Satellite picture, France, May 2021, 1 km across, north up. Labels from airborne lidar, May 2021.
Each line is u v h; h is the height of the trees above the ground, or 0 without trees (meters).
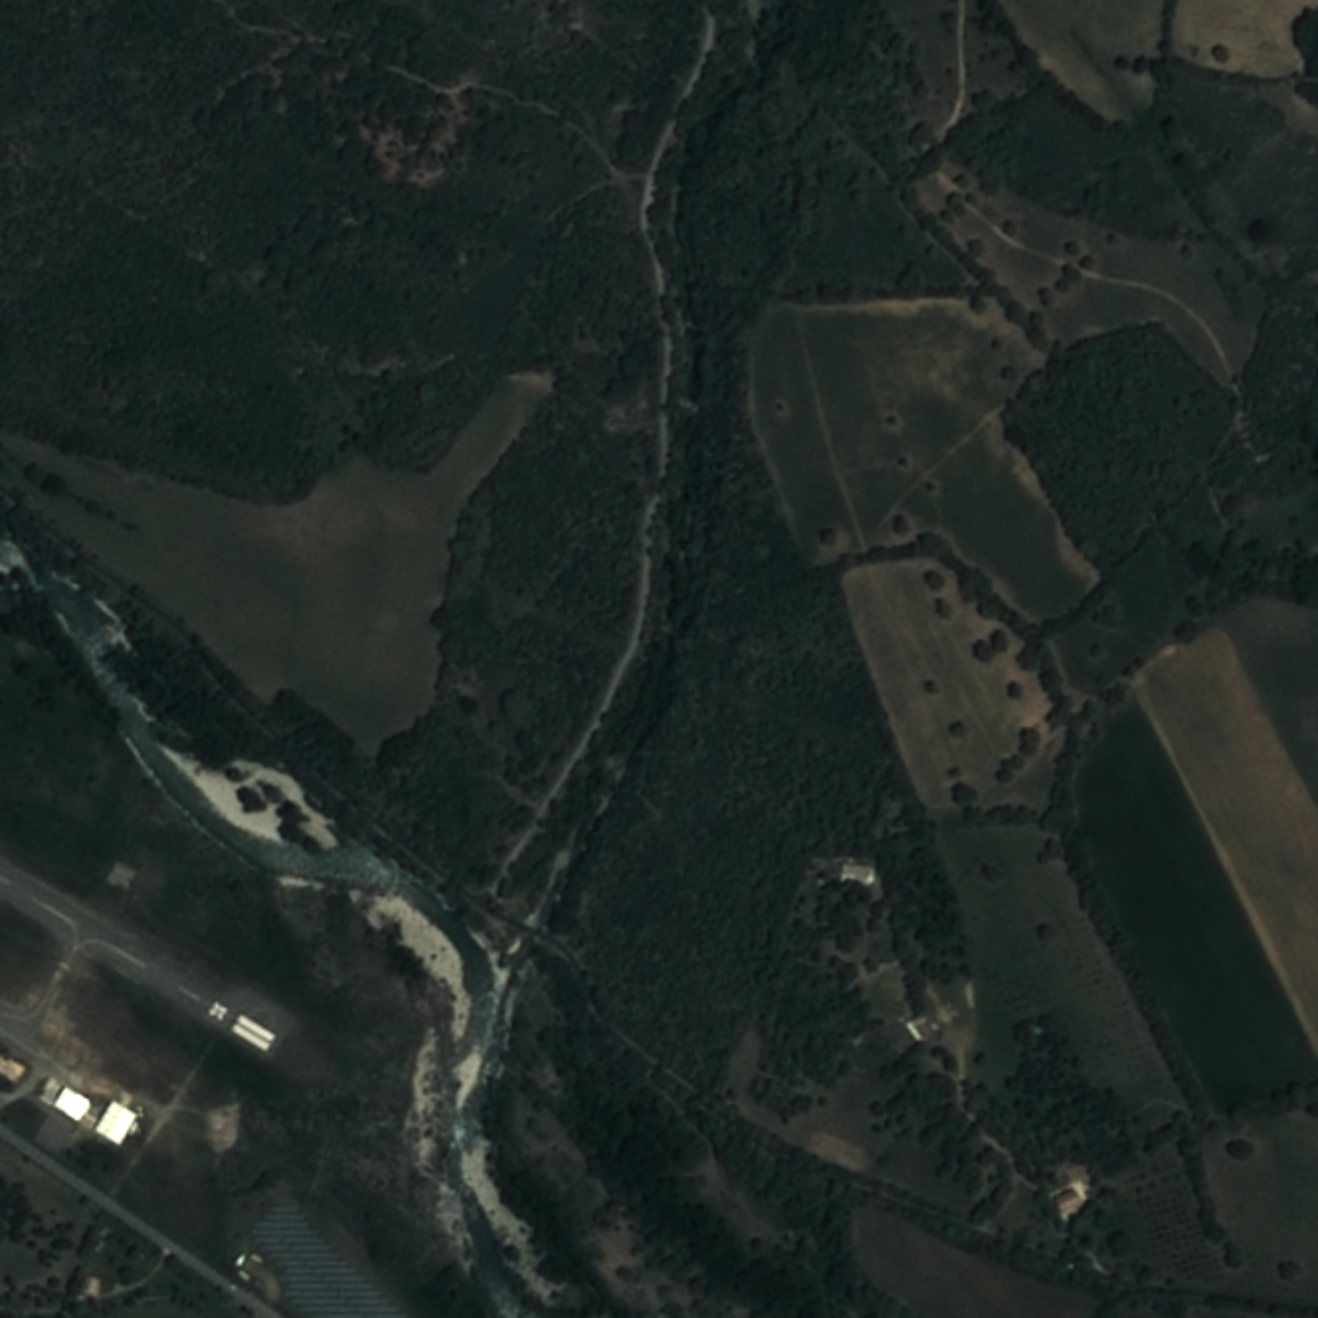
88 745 0
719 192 7
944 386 0
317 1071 0
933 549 15
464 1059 0
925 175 10
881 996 0
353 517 0
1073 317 0
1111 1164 11
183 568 0
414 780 10
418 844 8
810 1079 6
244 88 11
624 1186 11
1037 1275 10
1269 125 0
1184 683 0
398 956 9
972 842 0
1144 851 0
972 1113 9
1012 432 12
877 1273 0
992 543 0
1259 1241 0
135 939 0
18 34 6
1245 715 0
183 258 5
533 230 0
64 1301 7
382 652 0
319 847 13
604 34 0
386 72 9
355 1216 0
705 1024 6
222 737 25
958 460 0
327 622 0
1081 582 0
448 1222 0
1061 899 0
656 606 8
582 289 8
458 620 13
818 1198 13
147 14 6
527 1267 0
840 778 11
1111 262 0
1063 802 14
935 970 9
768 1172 12
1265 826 0
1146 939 0
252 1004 0
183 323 6
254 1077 0
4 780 0
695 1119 8
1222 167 8
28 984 0
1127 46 0
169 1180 0
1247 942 0
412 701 0
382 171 7
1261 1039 0
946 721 0
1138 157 0
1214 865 0
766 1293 15
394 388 7
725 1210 0
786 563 7
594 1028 7
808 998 9
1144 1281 9
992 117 10
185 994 0
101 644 0
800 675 7
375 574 0
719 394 11
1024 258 0
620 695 10
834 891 9
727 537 7
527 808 9
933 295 7
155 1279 0
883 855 11
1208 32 0
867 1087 0
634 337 8
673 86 12
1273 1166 0
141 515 0
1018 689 12
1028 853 0
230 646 0
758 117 8
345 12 11
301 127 13
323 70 10
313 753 10
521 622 6
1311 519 0
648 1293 0
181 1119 0
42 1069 0
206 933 0
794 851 12
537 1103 8
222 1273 0
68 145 6
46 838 0
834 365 0
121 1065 0
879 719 9
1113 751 0
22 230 5
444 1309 6
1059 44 0
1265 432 6
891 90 9
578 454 9
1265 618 0
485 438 0
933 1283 0
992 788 0
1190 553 7
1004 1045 0
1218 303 0
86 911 0
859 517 0
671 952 7
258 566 0
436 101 8
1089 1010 0
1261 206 0
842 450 0
